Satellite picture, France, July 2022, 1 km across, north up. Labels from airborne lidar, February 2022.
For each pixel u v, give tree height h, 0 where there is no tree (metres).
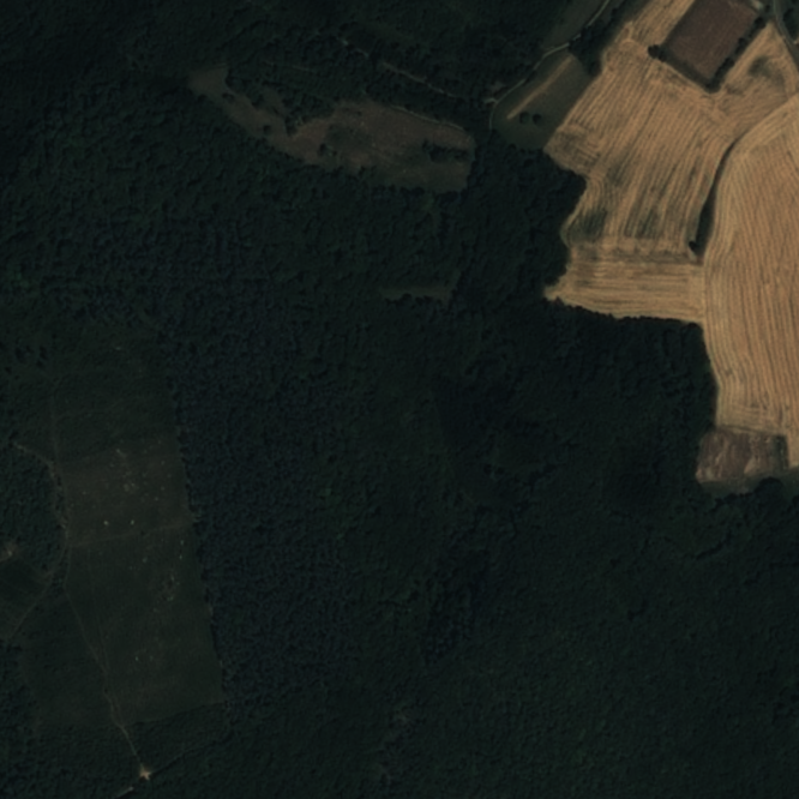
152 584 0
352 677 23
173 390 19
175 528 0
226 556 21
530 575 22
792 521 14
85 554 0
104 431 0
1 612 0
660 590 23
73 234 20
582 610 18
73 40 15
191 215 9
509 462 0
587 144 0
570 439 13
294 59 19
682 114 0
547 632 15
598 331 20
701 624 21
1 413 14
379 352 20
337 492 21
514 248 29
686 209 0
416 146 0
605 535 19
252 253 24
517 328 12
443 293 0
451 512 19
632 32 0
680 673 25
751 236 0
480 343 24
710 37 0
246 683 22
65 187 14
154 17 15
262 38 15
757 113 0
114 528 0
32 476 11
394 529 25
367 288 19
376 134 0
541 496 20
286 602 21
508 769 11
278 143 0
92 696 0
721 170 0
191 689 0
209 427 23
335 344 22
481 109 8
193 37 18
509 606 20
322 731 23
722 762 21
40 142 17
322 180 25
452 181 0
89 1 13
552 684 13
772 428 0
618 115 0
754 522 15
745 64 0
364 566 24
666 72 0
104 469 0
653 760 18
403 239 23
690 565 18
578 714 12
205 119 9
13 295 22
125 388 0
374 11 22
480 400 24
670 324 8
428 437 20
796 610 23
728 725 23
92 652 0
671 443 18
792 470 0
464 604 27
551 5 23
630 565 22
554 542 19
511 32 13
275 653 25
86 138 16
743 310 0
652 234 0
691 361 20
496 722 15
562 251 20
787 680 22
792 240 0
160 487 0
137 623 0
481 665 18
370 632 23
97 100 20
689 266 0
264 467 23
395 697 18
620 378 21
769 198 0
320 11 16
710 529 9
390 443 22
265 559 24
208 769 13
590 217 0
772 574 18
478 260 21
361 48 10
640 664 20
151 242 20
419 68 11
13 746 20
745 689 22
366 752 25
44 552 7
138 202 11
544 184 23
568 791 13
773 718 9
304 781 18
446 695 19
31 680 0
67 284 20
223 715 7
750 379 0
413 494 22
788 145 0
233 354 22
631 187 0
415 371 22
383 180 0
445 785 19
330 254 19
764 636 23
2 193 26
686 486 19
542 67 0
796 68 0
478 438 24
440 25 22
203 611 0
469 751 14
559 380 16
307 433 23
